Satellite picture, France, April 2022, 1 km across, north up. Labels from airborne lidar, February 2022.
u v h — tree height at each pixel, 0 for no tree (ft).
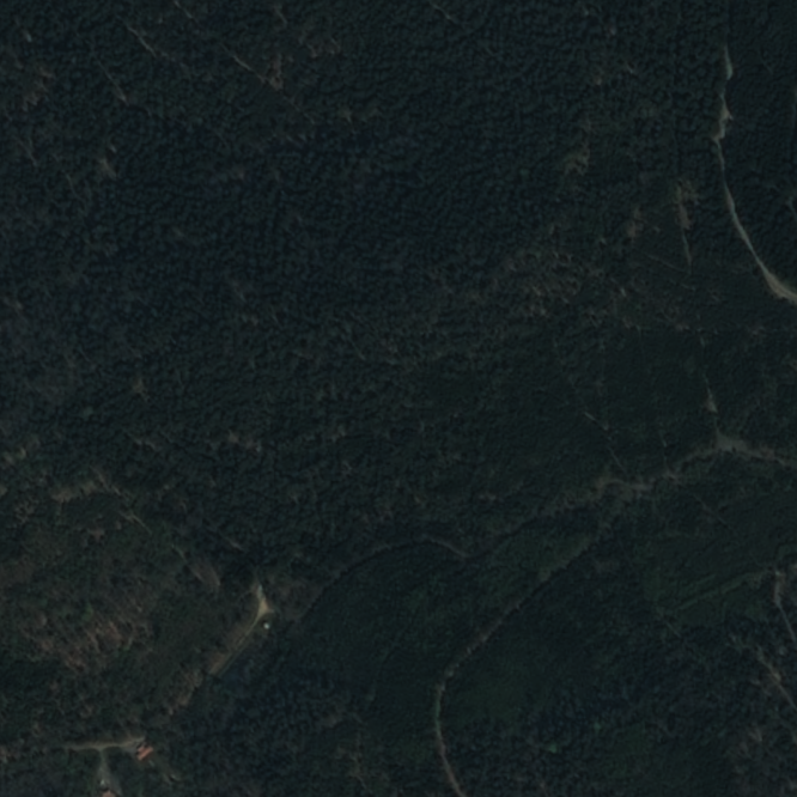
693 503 38
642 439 38
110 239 92
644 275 32
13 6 73
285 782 71
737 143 102
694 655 49
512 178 82
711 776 34
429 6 59
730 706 44
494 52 55
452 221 69
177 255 108
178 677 38
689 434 33
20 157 79
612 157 54
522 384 34
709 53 81
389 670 30
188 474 117
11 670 34
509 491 42
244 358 89
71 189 111
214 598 29
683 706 72
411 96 73
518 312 84
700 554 23
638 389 30
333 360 22
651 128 86
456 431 37
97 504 38
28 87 34
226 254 99
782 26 89
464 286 56
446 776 67
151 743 41
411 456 71
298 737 22
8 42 29
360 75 67
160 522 40
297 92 34
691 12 123
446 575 38
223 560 111
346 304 84
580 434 24
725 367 45
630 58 92
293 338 100
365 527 50
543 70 85
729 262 71
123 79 95
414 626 32
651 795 34
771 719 52
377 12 82
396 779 28
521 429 36
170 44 27
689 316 29
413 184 86
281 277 100
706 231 81
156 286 97
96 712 27
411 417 94
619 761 31
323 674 28
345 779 30
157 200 96
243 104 33
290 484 109
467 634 39
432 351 84
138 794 54
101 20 92
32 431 81
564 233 70
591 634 37
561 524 38
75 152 101
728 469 32
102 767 0
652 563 36
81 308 95
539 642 28
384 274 89
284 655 42
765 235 99
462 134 77
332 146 94
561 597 37
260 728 97
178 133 46
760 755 66
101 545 24
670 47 38
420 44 92
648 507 36
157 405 86
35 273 92
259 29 63
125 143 106
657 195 77
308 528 101
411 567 36
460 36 84
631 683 32
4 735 35
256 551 41
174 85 97
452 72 64
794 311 25
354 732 32
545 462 31
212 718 42
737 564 22
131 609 117
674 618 29
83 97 112
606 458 40
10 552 32
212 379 69
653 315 27
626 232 100
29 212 88
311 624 31
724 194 98
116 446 93
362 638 23
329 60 32
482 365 80
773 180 85
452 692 28
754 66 101
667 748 37
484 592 34
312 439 63
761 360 34
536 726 47
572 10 104
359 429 49
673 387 30
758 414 30
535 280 96
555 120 54
